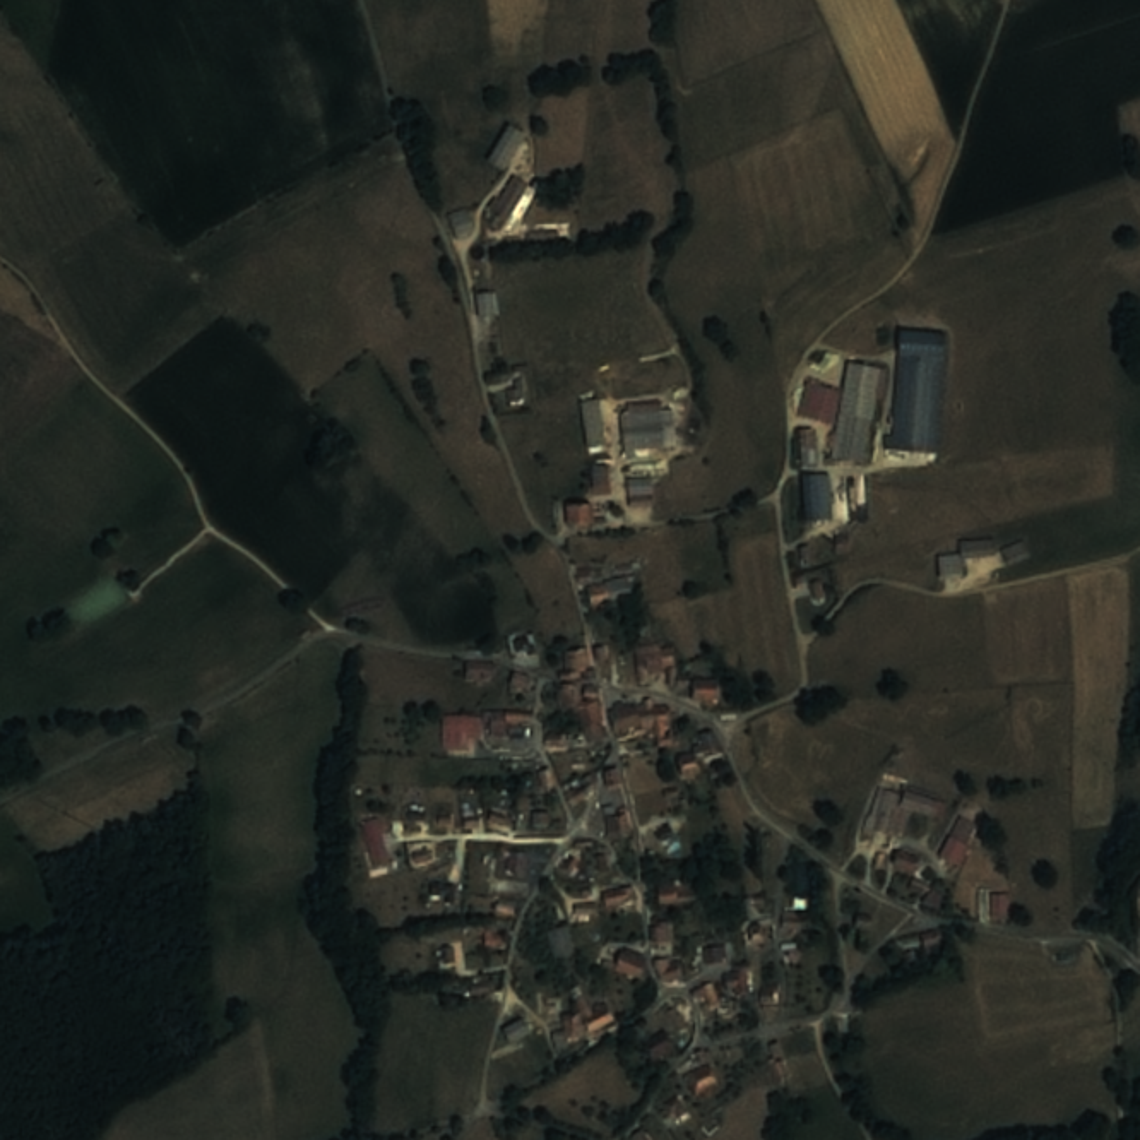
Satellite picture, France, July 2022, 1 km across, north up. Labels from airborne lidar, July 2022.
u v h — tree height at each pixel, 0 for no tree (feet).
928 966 55
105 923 79
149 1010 54
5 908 0
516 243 37
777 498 0
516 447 0
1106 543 0
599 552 0
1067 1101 0
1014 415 0
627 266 0
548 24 0
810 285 0
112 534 45
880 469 0
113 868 79
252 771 0
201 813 79
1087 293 0
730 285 0
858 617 0
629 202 0
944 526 0
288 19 0
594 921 0
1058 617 0
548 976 29
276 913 0
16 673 0
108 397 0
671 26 46
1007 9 0
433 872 0
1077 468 0
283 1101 0
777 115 0
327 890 72
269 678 0
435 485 0
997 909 0
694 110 0
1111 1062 0
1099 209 0
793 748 0
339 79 0
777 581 0
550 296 0
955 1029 0
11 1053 61
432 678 0
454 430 0
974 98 0
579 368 0
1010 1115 0
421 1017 0
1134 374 41
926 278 0
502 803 0
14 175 0
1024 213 0
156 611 0
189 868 86
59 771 0
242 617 0
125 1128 0
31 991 57
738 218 0
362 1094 76
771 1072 0
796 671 0
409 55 0
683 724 43
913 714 0
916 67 0
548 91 51
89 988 55
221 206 0
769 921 0
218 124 0
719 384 0
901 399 0
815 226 0
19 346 0
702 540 0
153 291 0
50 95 0
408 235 0
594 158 0
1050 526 0
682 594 19
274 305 0
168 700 0
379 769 0
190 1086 0
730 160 0
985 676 0
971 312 0
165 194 0
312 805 0
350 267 0
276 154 0
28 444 0
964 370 0
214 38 0
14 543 0
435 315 0
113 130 0
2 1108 60
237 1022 68
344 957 73
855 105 0
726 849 62
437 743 0
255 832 0
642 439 0
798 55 0
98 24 0
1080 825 0
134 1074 57
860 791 0
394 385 23
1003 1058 0
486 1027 0
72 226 0
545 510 0
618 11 0
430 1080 0
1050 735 0
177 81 0
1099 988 0
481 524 0
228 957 0
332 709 0
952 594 0
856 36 0
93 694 0
